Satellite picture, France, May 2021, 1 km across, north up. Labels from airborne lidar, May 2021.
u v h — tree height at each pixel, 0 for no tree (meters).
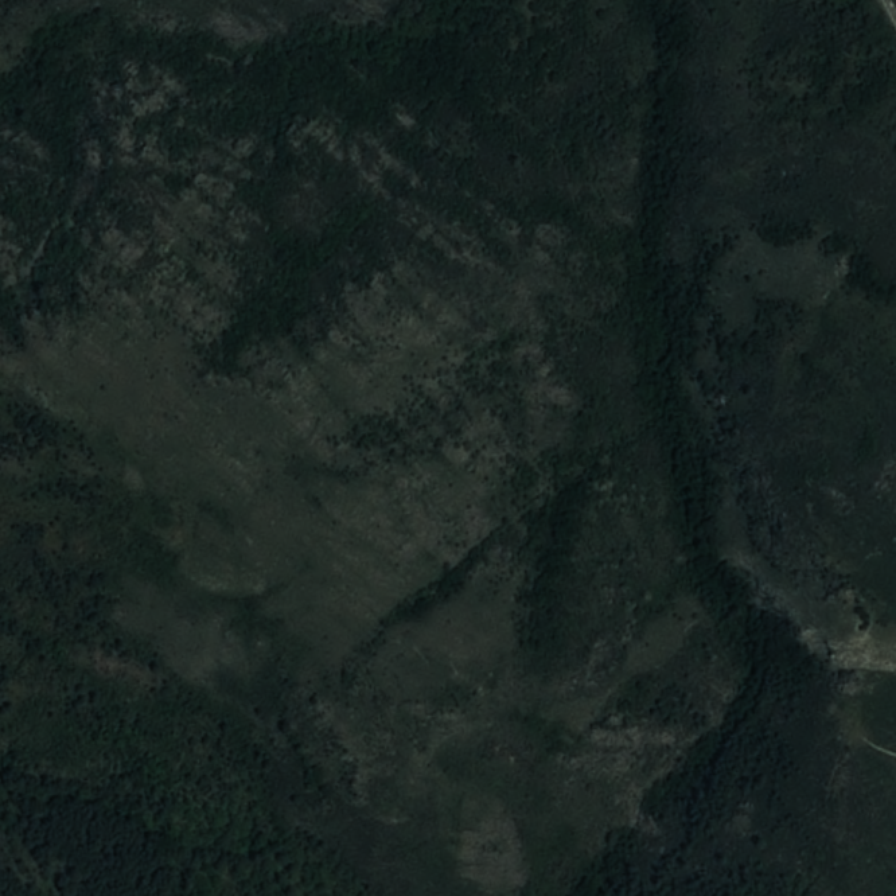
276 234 9
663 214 9
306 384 0
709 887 13
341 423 0
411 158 7
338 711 0
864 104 7
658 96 13
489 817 0
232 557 0
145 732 7
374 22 13
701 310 7
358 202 6
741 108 0
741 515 0
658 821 6
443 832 0
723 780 20
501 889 0
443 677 0
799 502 0
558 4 7
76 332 0
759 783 17
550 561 12
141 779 12
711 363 0
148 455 0
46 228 7
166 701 9
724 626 6
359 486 0
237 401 0
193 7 0
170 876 25
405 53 8
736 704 13
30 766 10
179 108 6
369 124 9
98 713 10
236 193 6
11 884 22
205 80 7
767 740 15
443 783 0
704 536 8
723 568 15
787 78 7
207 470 0
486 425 0
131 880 28
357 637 0
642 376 9
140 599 0
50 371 0
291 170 6
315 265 11
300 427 0
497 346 7
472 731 0
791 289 0
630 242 9
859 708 0
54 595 11
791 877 11
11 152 6
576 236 13
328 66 13
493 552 0
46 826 22
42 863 16
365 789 0
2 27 7
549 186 6
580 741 7
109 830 28
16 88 12
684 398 9
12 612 6
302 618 0
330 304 6
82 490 10
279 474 0
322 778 10
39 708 7
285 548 0
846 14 12
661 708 16
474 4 8
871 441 9
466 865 0
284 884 13
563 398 0
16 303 8
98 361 0
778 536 6
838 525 0
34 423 16
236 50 9
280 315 12
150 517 0
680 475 17
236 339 8
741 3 9
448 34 8
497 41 8
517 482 7
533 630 8
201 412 0
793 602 0
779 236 9
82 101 7
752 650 16
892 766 0
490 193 9
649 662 0
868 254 7
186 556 0
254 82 12
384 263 8
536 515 8
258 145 7
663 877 19
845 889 0
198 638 0
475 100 9
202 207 0
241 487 0
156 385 0
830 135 7
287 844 13
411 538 0
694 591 6
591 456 8
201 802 13
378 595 0
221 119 8
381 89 10
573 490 13
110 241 0
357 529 0
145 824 19
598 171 5
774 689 20
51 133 10
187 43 13
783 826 7
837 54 10
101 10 15
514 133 6
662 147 15
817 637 0
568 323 7
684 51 8
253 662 0
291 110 10
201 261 0
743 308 0
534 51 11
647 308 12
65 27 8
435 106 11
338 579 0
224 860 32
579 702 0
